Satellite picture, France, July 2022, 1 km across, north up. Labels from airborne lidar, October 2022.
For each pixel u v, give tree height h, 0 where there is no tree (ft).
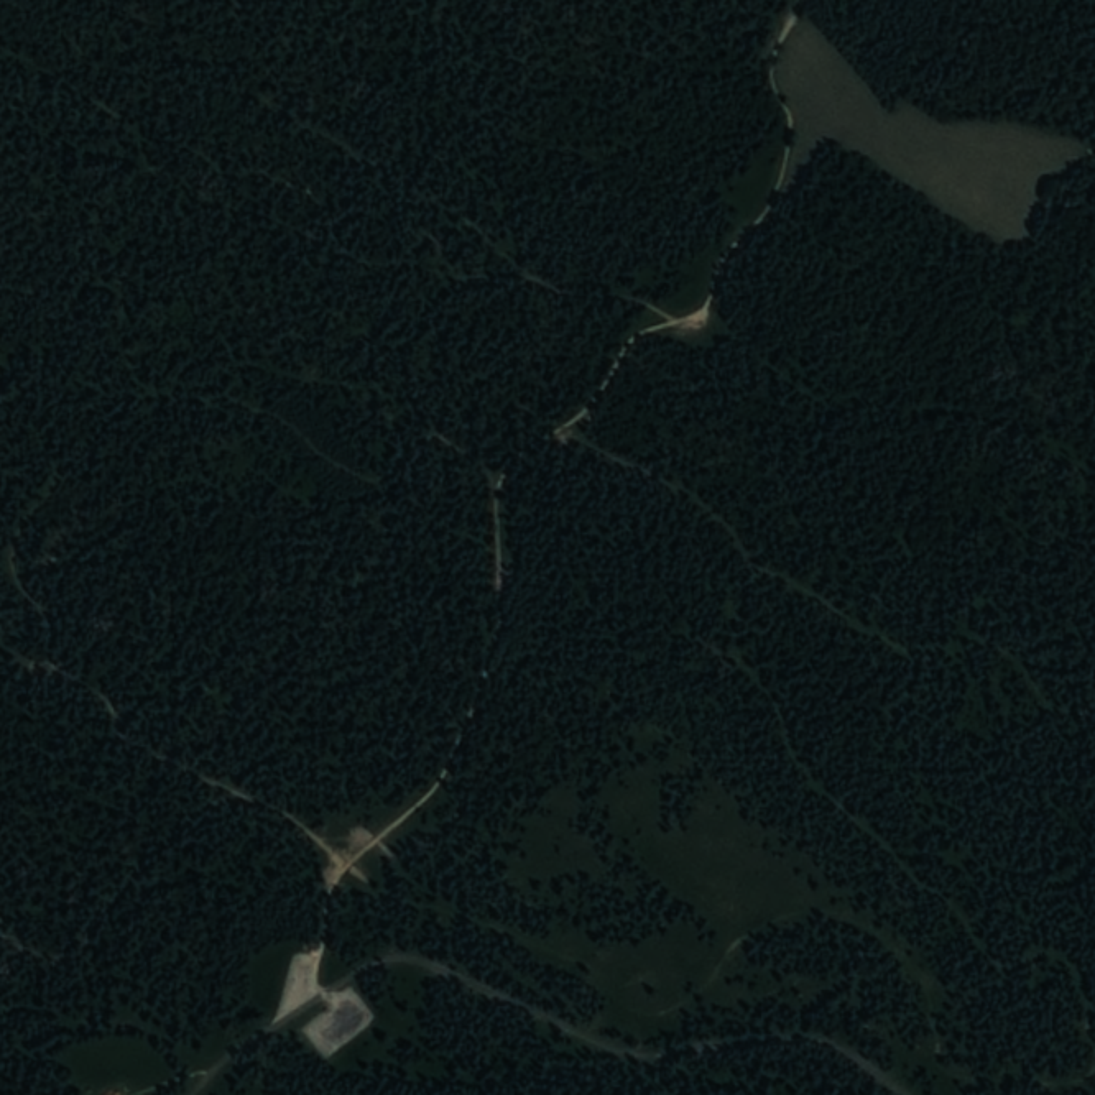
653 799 0
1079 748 50
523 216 62
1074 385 60
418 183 82
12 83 48
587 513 76
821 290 37
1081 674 60
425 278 52
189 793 56
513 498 47
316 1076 58
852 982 64
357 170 82
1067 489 86
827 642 20
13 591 64
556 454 107
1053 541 94
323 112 35
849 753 34
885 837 87
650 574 64
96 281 42
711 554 40
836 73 0
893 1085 0
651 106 18
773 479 17
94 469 71
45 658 29
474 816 39
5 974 93
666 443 82
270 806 49
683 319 0
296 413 32
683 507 61
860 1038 43
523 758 28
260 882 91
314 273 74
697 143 52
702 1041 56
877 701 61
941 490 57
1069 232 72
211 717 59
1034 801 78
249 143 44
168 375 32
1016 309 59
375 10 61
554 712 71
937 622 59
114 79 36
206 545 43
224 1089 0
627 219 70
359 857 0
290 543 77
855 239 23
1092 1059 24
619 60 48
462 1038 85
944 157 0
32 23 44
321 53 60
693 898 0
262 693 104
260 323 44
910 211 61
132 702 91
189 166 82
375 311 50
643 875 49
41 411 38
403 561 67
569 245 79
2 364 0
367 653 74
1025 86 92
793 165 0
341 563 46
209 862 86
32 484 23
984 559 80
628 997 0
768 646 38
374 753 48
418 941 34
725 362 70
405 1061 41
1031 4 91
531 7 85
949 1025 62
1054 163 0
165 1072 0
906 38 80
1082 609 103
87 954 67
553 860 0
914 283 70
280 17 46
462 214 18
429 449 100
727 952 0
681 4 62
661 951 0
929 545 75
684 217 64
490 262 28
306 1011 0
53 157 63
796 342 66
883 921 47
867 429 51
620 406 27
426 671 49
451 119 42
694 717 58
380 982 69
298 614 34
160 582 74
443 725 66
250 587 21
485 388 68
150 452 80
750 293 29
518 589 57
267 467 31
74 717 93
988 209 0
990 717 18
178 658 52
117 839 86
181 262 35
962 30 72
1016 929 75
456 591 41
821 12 73
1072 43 84
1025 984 86
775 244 85
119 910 37
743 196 0
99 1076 0
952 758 62
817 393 58
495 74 32
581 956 0
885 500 58
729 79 53
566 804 0
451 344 81
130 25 89
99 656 56
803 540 22
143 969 44
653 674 52
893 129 0
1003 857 75
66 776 82
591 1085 46
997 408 58
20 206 70
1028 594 63
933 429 54
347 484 47
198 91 77
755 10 65
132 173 101
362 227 58
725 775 45
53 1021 83
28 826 64
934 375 60
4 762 40
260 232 29
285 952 0
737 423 30
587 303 46
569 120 35
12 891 66
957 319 55
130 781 82
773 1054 91
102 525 28
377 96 86
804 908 0
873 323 32
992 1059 77
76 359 59
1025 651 59
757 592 60
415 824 0
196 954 51
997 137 0
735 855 0
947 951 51
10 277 73
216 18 70
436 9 98
